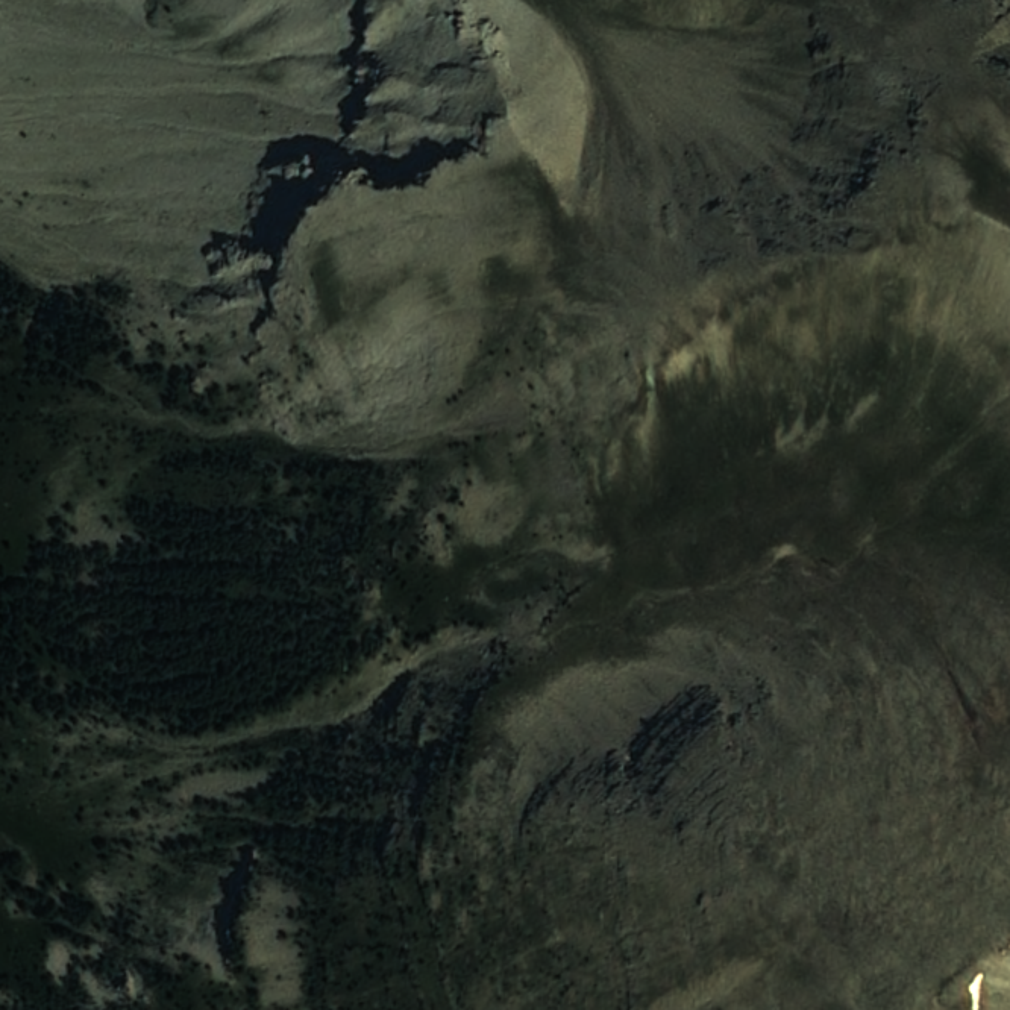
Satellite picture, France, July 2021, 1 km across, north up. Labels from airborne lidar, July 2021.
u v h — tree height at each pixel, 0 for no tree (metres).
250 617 10
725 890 0
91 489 0
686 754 0
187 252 0
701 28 0
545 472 0
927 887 0
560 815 0
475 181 0
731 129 0
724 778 0
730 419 0
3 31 0
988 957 0
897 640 0
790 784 0
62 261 0
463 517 0
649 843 0
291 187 0
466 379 0
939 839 0
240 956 11
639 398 0
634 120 0
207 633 19
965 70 0
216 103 0
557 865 0
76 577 7
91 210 0
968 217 0
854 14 0
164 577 20
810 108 0
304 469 13
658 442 0
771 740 0
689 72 0
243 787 0
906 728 0
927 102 0
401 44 0
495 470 0
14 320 12
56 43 0
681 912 0
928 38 0
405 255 0
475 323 0
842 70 0
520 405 0
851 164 0
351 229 0
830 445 0
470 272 0
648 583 0
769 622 0
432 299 0
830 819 0
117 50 0
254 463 8
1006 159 0
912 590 0
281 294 0
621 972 0
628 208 0
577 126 0
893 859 0
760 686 0
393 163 0
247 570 11
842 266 0
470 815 0
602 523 0
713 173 0
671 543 0
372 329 0
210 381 0
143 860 0
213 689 18
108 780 0
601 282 0
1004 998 0
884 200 0
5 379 9
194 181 0
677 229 0
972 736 0
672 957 0
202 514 12
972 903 0
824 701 0
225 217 0
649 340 0
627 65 0
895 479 0
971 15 0
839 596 0
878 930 0
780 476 0
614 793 0
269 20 0
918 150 0
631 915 0
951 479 0
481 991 0
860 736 0
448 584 0
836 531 0
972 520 0
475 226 0
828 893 0
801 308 0
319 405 0
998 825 0
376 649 7
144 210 0
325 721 0
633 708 0
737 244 0
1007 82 0
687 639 0
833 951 0
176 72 0
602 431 0
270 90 0
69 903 20
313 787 12
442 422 0
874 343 0
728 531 0
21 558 0
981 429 0
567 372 0
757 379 0
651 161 0
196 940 0
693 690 0
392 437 0
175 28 0
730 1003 0
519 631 0
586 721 0
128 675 19
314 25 0
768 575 0
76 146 0
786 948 0
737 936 0
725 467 0
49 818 0
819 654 0
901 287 0
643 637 0
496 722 0
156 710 14
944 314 0
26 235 0
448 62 0
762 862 0
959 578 0
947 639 0
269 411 0
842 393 0
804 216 0
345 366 0
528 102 0
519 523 0
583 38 0
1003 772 0
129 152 0
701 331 0
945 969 0
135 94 0
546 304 0
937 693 0
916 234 0
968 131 0
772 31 0
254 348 0
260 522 15
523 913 0
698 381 0
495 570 0
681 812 0
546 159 0
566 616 0
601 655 0
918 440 0
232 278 0
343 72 0
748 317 0
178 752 0
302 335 0
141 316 0
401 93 0
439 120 0
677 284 0
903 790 0
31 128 0
